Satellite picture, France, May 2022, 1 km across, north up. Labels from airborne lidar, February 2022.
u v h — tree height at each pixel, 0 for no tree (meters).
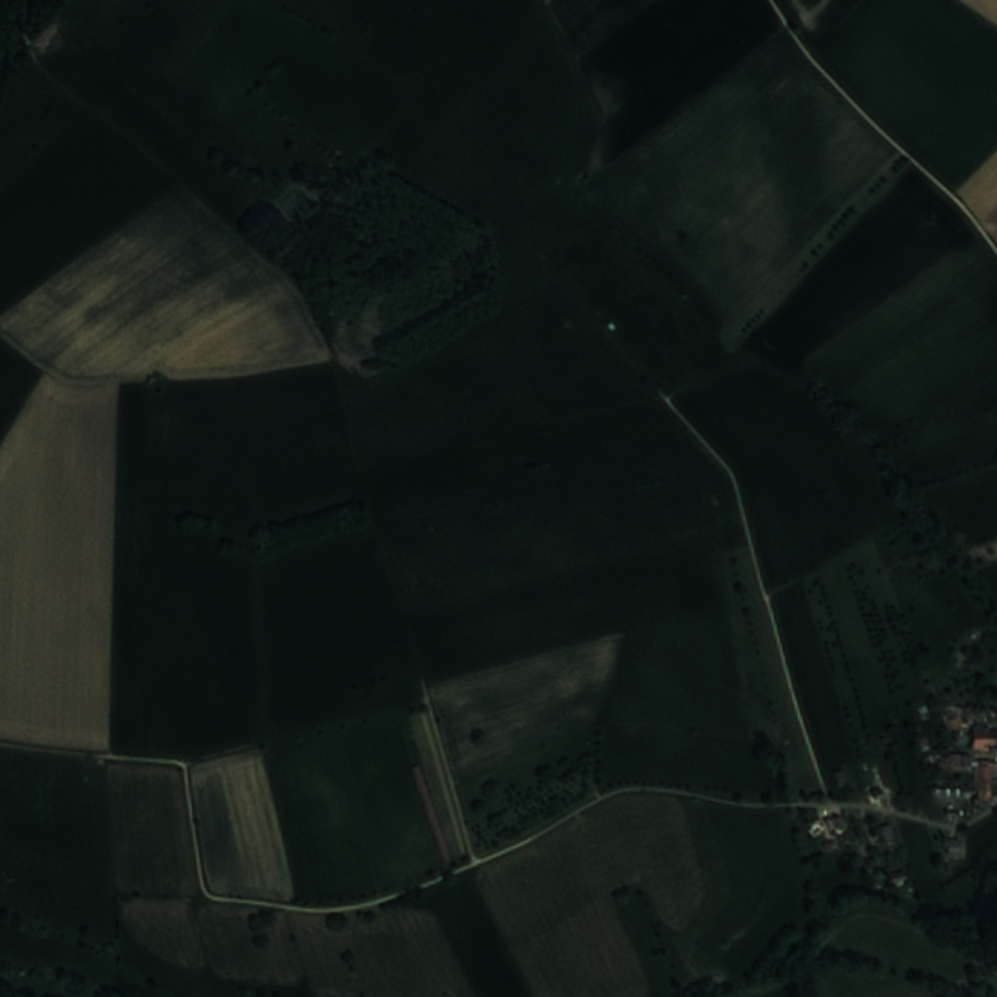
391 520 0
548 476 0
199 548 0
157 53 0
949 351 0
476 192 0
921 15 0
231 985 0
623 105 0
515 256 0
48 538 0
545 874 0
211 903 0
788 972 16
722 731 0
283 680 0
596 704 0
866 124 0
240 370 0
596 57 0
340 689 0
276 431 0
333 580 0
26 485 0
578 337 0
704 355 0
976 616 0
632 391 0
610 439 0
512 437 0
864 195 0
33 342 0
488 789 11
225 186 0
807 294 0
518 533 0
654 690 0
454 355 0
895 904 20
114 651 0
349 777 0
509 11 0
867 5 0
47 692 0
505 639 0
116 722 0
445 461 0
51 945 0
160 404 0
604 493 0
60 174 0
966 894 0
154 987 18
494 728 0
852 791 0
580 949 0
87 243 0
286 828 0
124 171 0
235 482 0
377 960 0
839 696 0
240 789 0
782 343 0
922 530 10
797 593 0
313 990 0
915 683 0
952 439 0
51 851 0
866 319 0
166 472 0
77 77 0
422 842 0
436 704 0
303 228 18
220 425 0
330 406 0
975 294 0
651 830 0
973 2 0
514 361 0
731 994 15
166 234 0
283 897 0
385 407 0
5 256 0
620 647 0
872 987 0
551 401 0
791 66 0
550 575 0
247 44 0
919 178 0
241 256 0
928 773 8
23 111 0
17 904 0
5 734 0
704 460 0
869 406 0
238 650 0
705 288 0
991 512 0
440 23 0
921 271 0
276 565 0
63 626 0
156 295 0
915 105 0
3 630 0
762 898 0
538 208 0
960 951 24
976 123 0
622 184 0
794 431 0
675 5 0
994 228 0
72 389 0
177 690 0
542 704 0
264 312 0
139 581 0
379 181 21
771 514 0
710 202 0
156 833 0
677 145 0
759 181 0
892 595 0
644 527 0
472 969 0
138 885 0
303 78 0
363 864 0
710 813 0
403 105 0
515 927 0
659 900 0
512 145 0
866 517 0
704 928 0
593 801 0
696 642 0
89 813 0
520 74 0
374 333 0
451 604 0
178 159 0
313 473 0
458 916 0
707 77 0
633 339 0
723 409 0
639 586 0
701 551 0
